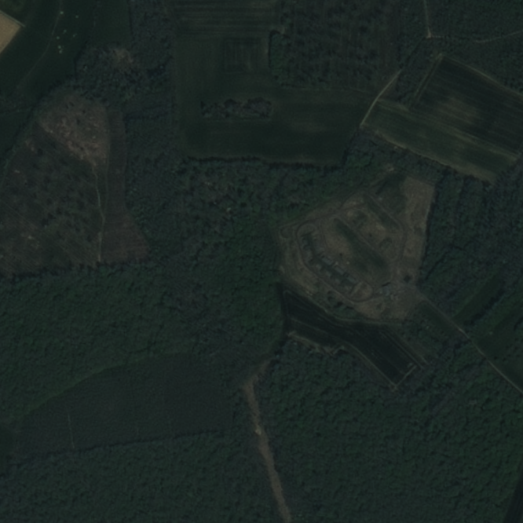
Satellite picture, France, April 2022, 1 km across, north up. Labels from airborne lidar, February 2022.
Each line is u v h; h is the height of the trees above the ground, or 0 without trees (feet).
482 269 81
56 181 84
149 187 76
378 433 95
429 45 36
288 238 0
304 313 0
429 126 0
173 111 57
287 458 88
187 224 68
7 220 0
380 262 0
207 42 0
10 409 70
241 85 0
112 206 0
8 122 0
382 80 0
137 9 44
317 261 0
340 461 81
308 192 73
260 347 74
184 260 85
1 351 81
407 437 80
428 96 0
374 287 0
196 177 62
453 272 78
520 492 0
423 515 77
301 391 67
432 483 75
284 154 0
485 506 82
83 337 86
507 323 0
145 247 0
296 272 0
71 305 80
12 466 47
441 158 0
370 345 0
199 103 0
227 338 81
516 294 58
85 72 21
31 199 0
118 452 69
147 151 83
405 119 0
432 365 74
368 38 98
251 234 73
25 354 91
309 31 0
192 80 0
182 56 0
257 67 0
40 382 81
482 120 0
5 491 66
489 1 66
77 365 72
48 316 68
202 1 0
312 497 70
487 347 0
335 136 0
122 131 0
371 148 80
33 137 0
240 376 60
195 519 88
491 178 0
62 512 77
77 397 28
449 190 93
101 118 0
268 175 89
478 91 0
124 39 0
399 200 0
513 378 0
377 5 0
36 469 80
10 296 86
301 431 95
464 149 0
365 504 68
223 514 88
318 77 80
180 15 0
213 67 0
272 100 0
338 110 0
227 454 91
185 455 82
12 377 79
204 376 51
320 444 88
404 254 0
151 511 75
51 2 0
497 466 66
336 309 34
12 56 0
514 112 0
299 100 0
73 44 0
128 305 84
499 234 59
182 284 85
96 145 0
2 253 0
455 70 0
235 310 83
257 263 80
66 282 80
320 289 0
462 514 98
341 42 88
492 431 78
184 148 0
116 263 0
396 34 0
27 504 85
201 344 64
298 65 68
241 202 77
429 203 0
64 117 0
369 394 84
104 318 53
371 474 88
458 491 84
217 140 0
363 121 0
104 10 0
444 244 71
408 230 0
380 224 0
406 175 0
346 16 89
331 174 72
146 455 71
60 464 79
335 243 0
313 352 36
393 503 76
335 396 86
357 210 0
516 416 84
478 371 95
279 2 0
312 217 0
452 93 0
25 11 0
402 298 0
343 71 0
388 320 0
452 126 0
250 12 0
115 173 0
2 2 0
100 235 0
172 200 75
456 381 103
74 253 0
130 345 81
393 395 28
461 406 81
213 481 89
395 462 82
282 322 58
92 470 73
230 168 75
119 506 72
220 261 96
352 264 0
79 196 74
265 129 0
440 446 72
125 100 39
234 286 81
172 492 73
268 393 74
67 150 0
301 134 0
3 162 38
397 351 0
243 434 63
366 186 0
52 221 0
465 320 0
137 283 60
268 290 71
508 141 0
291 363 91
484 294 0
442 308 51
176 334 73
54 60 0
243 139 0
